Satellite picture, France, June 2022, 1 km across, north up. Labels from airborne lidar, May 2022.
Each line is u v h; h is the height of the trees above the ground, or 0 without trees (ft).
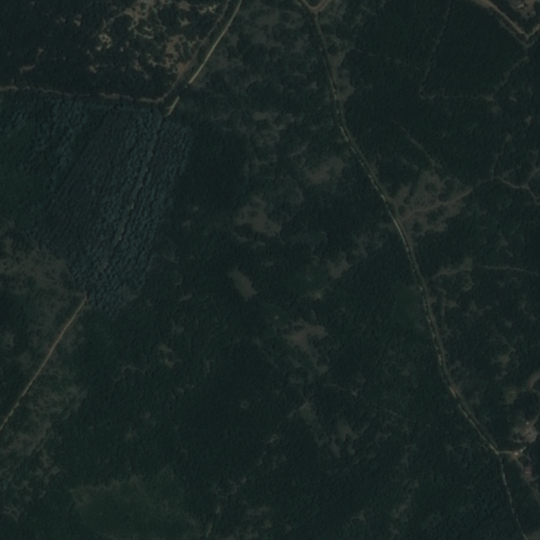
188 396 38
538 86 29
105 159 52
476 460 35
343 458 23
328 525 32
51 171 27
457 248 34
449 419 20
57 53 19
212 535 28
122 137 37
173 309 27
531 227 27
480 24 37
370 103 30
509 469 36
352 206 22
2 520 39
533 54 27
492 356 18
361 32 24
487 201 25
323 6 0
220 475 26
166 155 52
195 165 30
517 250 31
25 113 47
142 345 37
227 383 25
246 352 47
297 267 22
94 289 22
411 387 24
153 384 39
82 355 26
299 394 24
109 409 31
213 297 24
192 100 20
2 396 21
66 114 56
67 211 48
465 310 23
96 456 30
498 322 23
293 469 26
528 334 30
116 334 23
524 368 35
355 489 36
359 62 33
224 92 22
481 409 23
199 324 26
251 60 25
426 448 46
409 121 31
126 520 31
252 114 18
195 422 30
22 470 23
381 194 24
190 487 22
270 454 32
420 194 0
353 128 27
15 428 18
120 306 46
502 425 39
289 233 38
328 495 30
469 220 23
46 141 19
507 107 34
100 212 58
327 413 36
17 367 22
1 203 22
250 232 31
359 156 35
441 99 22
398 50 26
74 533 37
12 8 42
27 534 35
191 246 31
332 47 31
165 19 27
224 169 52
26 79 32
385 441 36
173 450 30
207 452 24
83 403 32
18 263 21
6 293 25
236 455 30
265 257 29
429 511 29
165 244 30
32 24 35
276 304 23
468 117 31
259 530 23
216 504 17
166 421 24
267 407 30
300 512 29
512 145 20
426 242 31
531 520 29
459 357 27
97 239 52
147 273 24
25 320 22
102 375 28
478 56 39
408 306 0
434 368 31
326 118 27
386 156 22
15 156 21
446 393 21
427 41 33
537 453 25
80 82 29
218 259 29
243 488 27
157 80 35
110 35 20
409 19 34
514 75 29
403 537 26
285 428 36
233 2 23
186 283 41
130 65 24
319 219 33
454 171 28
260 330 39
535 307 23
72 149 18
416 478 35
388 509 33
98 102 45
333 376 21
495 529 19
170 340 33
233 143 47
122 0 37
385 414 24
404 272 31
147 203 25
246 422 31
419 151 29
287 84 20
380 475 45
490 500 20
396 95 26
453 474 41
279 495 31
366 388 34
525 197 22
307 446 31
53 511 28
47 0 41
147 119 65
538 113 30
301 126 20
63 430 35
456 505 19
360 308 32
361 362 28
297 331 28
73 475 37
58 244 39
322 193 18
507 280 31
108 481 33
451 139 24
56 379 29
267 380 30
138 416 25
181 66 0
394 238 26
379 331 26
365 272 34
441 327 26
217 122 25
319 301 40
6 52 27
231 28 29
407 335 30
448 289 27
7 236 25
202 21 29
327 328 22
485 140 28
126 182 49
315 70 23
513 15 40
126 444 29
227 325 21
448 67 30
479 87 21
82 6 41
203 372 38
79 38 31
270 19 0
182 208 33
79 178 37
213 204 36
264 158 21
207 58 0
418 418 34
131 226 52
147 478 28
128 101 20
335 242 41
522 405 25
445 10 31
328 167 0
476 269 26
